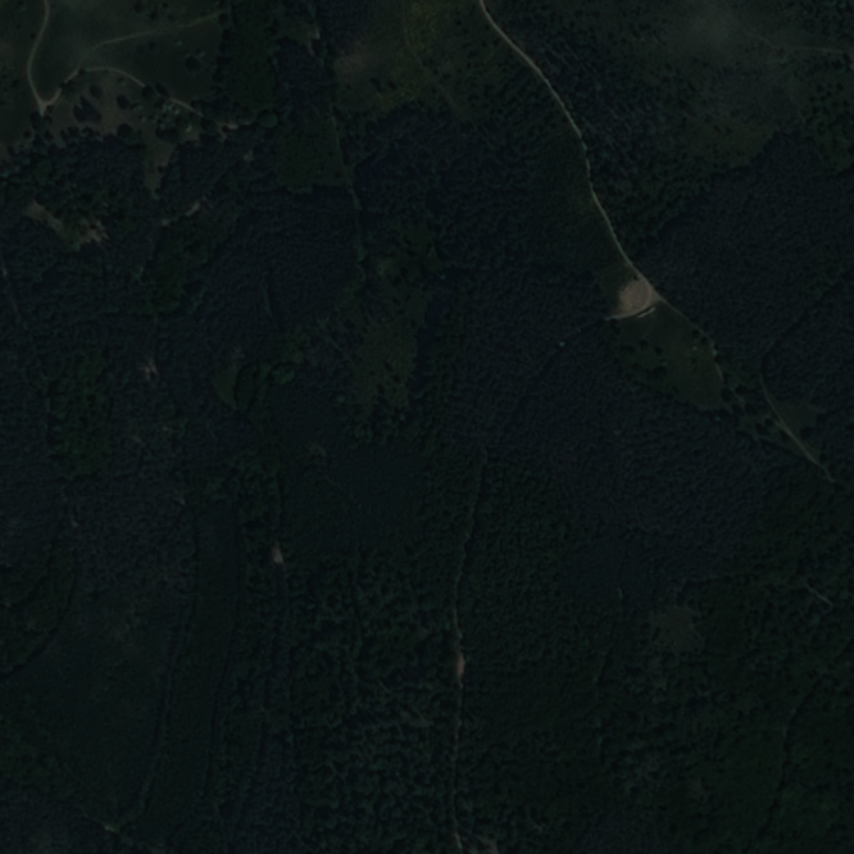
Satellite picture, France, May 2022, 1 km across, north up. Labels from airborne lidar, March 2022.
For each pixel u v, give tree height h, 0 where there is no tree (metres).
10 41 0
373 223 34
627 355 15
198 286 24
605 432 26
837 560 26
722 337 22
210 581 21
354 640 19
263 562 22
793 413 0
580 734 14
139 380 24
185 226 13
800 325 27
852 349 27
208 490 18
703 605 9
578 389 22
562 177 7
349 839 24
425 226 0
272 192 30
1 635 23
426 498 15
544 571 22
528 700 14
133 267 17
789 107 15
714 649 9
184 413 34
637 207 9
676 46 0
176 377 34
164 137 16
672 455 26
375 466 15
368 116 6
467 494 23
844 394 18
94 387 29
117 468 33
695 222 24
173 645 29
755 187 25
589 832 14
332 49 27
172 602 22
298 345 21
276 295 34
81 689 19
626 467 25
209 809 29
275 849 29
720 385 0
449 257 39
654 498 28
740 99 15
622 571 14
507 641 22
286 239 27
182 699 20
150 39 0
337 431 16
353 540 16
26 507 22
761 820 14
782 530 22
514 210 38
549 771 10
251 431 30
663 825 20
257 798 26
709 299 26
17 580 19
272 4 29
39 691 22
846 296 26
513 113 10
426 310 0
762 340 27
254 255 32
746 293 26
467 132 24
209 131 15
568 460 21
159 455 33
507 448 25
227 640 16
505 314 29
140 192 30
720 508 26
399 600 7
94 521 28
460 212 39
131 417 29
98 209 31
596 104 26
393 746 27
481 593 16
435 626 8
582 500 24
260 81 22
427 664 27
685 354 0
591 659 18
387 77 0
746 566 13
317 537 15
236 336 29
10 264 31
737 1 9
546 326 28
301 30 0
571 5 0
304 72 23
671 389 13
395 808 27
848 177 17
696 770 16
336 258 31
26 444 25
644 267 23
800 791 12
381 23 0
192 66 21
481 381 33
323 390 16
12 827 27
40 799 27
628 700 10
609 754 15
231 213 26
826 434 14
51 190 25
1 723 21
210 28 0
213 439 27
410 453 14
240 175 33
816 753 15
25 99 0
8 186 24
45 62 0
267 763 25
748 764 12
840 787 18
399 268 0
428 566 18
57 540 27
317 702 17
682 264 24
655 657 7
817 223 27
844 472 21
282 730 0
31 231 28
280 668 29
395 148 13
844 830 25
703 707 29
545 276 23
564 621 24
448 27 0
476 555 21
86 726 20
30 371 20
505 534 22
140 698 21
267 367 17
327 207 26
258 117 21
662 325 0
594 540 17
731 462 24
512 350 33
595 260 6
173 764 21
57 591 21
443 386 25
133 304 21
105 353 33
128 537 33
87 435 29
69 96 9
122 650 19
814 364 29
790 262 29
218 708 22
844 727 11
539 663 16
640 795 20
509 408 23
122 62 0
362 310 0
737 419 15
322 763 12
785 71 14
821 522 15
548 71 21
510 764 10
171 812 20
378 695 28
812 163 23
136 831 20
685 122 6
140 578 29
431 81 0
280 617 25
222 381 0
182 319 35
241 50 19
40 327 33
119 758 20
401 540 11
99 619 20
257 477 23
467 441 27
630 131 27
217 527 20
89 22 0
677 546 21
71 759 22
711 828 15
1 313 25
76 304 34
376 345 0
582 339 26
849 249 22
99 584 27
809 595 22
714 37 0
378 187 35
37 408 27
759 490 29
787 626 11
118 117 0
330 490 15
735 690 12
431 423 24
